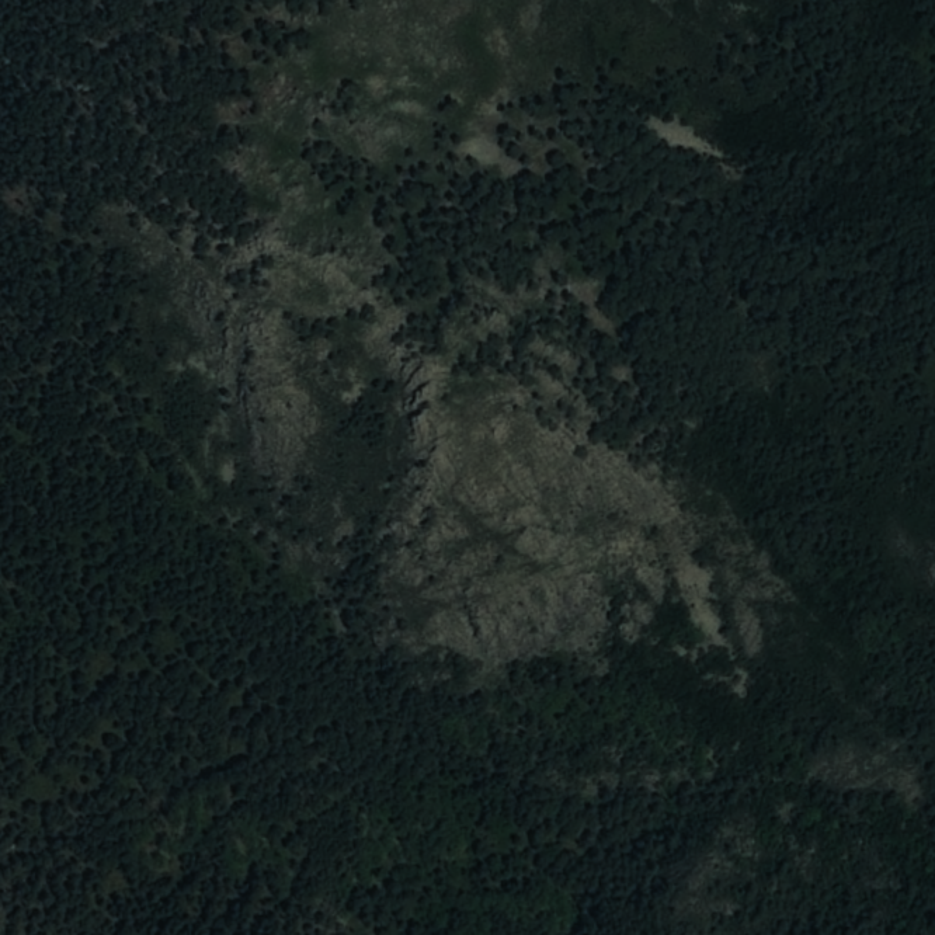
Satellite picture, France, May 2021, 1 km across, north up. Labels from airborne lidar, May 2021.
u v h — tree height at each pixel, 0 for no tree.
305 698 27
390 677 30
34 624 6
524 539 0
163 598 22
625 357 27
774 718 18
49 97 16
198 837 27
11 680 26
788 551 17
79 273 22
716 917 14
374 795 22
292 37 24
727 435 9
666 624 11
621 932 32
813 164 16
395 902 24
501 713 16
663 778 7
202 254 18
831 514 19
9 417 21
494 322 0
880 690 18
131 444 18
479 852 22
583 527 0
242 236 13
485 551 0
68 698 20
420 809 26
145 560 19
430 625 0
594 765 7
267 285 10
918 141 14
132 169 18
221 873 24
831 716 6
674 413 23
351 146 0
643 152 19
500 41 0
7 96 25
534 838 23
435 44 0
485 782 27
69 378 22
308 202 0
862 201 16
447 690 7
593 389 23
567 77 31
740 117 7
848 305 24
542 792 32
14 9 20
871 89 21
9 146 22
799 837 7
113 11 21
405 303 23
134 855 25
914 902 10
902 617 18
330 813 13
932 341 23
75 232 28
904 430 14
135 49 29
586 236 34
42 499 26
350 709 28
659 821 18
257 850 22
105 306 27
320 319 11
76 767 25
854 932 22
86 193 20
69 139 16
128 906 20
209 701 25
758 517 21
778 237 23
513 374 19
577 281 0
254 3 23
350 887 19
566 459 0
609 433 23
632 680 24
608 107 32
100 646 30
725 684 11
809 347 17
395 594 0
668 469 12
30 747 24
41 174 20
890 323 20
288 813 22
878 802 19
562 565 0
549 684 23
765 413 14
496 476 0
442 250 22
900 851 19
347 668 23
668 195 29
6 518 24
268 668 27
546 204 36
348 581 18
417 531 0
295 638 23
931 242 10
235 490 10
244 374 6
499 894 25
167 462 22
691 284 28
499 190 16
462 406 0
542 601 0
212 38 26
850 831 12
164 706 26
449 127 19
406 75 0
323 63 0
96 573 18
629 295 31
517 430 0
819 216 18
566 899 24
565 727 13
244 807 29
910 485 15
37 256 28
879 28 13
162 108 23
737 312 23
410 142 0
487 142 0
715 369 24
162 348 10
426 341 11
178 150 16
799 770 22
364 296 0
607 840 25
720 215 28
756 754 12
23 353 31
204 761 27
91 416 23
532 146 0
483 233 20
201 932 26
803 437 10
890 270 19
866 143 16
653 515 0
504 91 0
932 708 30
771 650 7
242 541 12
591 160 23
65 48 18
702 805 25
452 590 0
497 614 0
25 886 19
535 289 22
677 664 11
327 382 0
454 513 0
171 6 22
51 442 22
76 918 31
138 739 33
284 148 0
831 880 6
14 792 23
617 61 17
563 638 0
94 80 17
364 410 15
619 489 0
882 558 15
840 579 11
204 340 0
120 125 15
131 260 6
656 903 25
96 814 19
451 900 18
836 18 22
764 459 15
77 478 16
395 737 27
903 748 7
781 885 12
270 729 32
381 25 0
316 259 0
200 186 16
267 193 0
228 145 22
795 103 9
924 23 25
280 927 22
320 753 26
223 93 26
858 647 12
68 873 22
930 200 11
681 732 19
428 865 20
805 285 25
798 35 22
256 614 27
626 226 28
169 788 17
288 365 0
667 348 33
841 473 21
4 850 23
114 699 26
